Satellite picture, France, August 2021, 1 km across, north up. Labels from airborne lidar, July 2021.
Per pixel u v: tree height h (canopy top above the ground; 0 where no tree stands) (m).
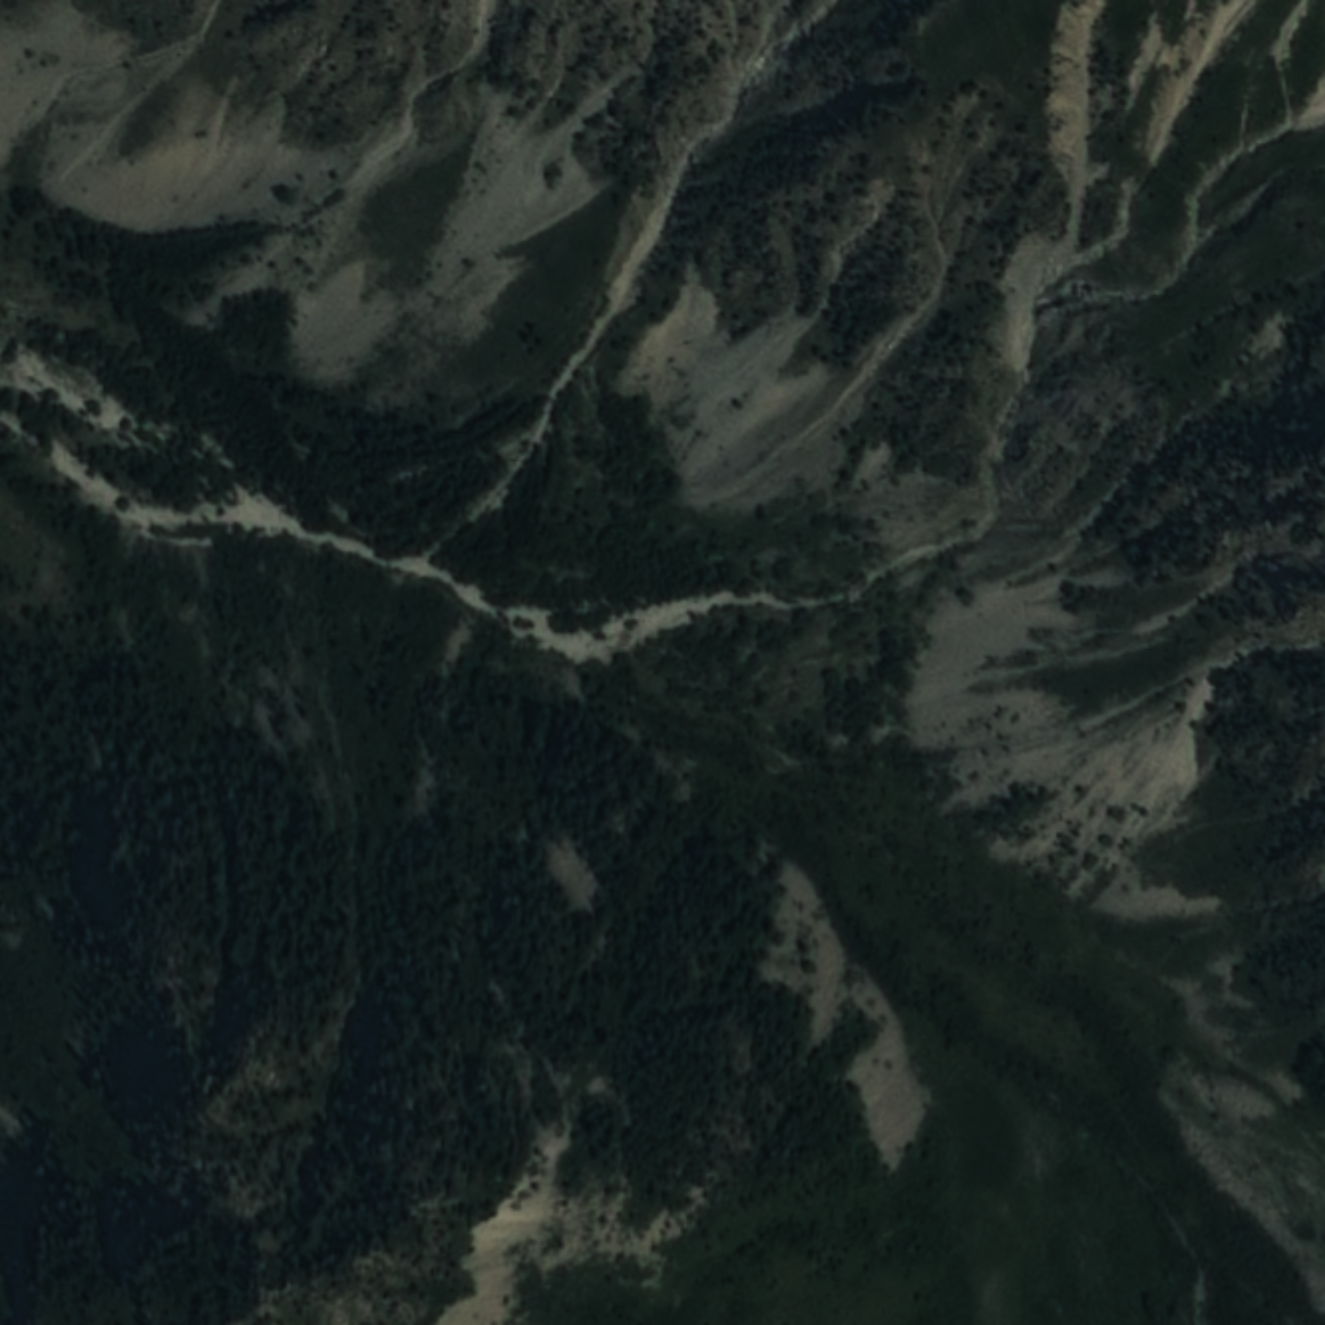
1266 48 0
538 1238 0
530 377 0
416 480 7
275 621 6
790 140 6
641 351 0
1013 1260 0
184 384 11
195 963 10
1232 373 0
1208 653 0
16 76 0
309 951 9
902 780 0
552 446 11
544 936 8
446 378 0
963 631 0
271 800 7
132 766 8
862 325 15
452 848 6
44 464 0
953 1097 0
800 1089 9
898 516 0
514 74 9
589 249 0
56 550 0
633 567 6
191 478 12
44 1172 6
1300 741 8
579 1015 10
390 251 0
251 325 7
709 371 0
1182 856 0
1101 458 8
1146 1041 0
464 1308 0
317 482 8
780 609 0
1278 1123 0
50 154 0
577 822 15
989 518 0
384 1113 14
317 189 0
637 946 10
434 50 8
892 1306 0
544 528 7
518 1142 9
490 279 0
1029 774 0
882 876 0
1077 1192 0
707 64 12
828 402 0
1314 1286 0
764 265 7
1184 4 0
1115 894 0
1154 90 0
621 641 0
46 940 0
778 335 0
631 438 8
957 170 0
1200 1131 0
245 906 9
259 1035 8
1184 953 0
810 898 0
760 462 0
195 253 10
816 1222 7
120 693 17
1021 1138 0
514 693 8
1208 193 0
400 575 0
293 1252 7
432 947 10
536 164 0
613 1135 12
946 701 0
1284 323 0
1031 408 0
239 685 6
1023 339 0
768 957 8
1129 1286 0
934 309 0
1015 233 15
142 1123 12
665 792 7
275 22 10
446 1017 14
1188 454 14
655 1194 16
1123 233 0
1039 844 0
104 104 0
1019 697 0
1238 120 0
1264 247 0
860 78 8
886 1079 0
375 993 9
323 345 0
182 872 9
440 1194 9
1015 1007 0
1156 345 0
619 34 7
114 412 0
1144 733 0
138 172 0
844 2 0
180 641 0
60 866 7
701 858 20
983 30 0
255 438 7
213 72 0
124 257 15
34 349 8
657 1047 8
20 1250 9
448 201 0
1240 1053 0
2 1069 0
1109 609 0
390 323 0
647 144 8
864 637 6
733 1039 19
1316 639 0
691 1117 8
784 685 0
